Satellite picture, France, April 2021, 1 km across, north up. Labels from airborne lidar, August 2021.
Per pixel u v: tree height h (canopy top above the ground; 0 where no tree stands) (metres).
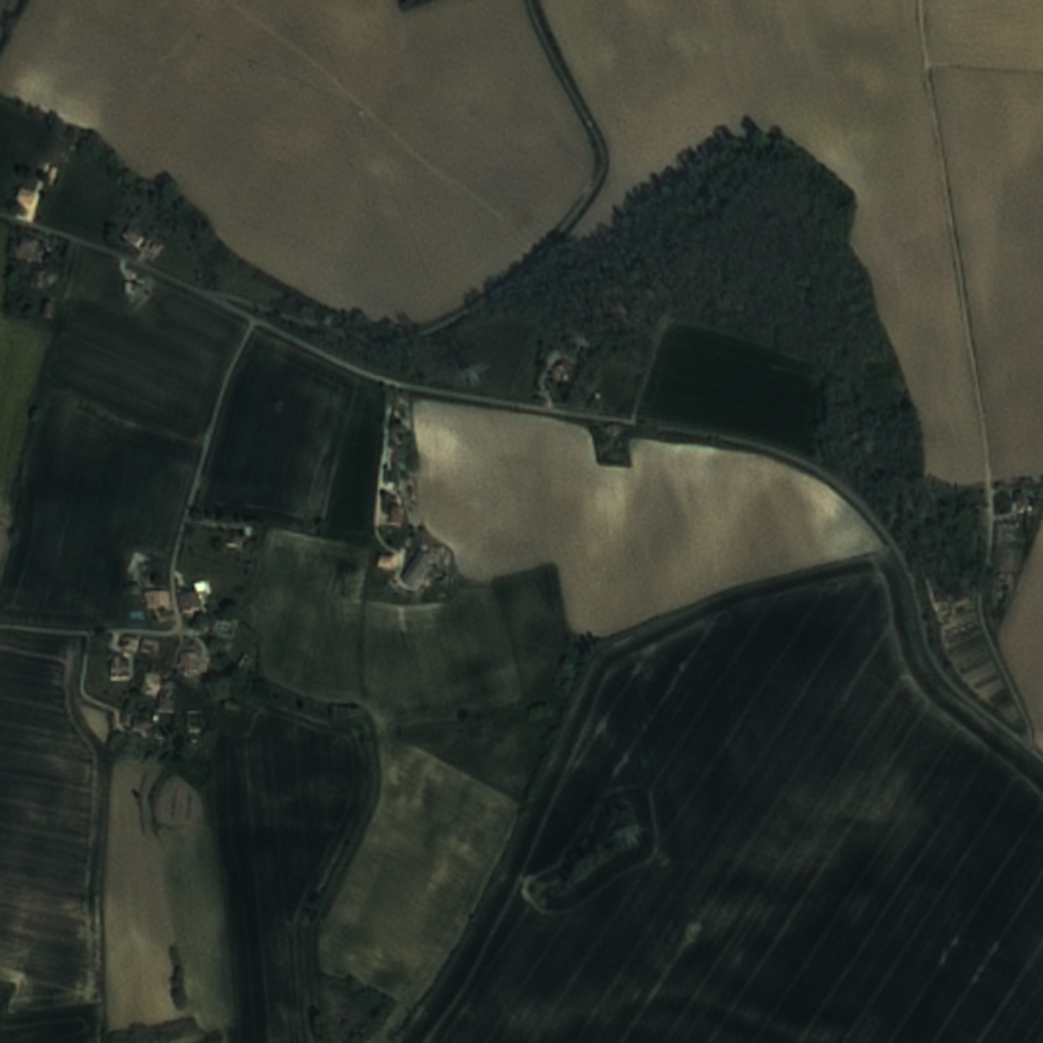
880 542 0
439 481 0
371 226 0
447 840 0
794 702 0
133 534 0
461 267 0
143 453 0
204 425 0
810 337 22
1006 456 0
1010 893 0
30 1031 0
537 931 0
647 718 0
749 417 0
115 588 0
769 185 20
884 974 0
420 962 0
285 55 0
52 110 0
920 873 0
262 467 0
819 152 0
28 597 0
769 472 0
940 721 0
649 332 17
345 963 0
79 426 0
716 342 0
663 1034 0
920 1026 0
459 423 0
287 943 0
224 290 0
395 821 0
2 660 0
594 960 0
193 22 0
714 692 0
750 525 0
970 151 0
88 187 0
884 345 14
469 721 18
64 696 0
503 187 0
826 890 0
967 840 0
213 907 0
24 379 0
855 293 21
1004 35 0
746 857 0
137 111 0
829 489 0
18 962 0
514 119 0
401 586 0
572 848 0
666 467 0
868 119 0
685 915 0
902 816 0
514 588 0
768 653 0
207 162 0
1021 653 0
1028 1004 0
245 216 0
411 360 14
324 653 0
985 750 0
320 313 6
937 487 18
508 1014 0
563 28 0
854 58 0
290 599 0
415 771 0
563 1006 0
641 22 0
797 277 20
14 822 0
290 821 0
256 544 10
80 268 0
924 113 0
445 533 0
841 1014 0
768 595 0
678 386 0
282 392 0
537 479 0
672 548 0
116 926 0
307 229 0
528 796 7
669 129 0
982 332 0
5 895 0
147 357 0
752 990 0
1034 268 0
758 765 0
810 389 0
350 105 0
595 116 0
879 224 0
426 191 0
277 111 0
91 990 0
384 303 0
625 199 0
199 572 0
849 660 0
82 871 0
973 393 0
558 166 0
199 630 12
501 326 0
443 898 0
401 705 0
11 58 0
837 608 0
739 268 16
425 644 0
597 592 0
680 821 0
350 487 0
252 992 0
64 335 0
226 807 0
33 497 0
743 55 0
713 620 0
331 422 0
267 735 0
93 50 0
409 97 0
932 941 0
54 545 0
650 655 0
